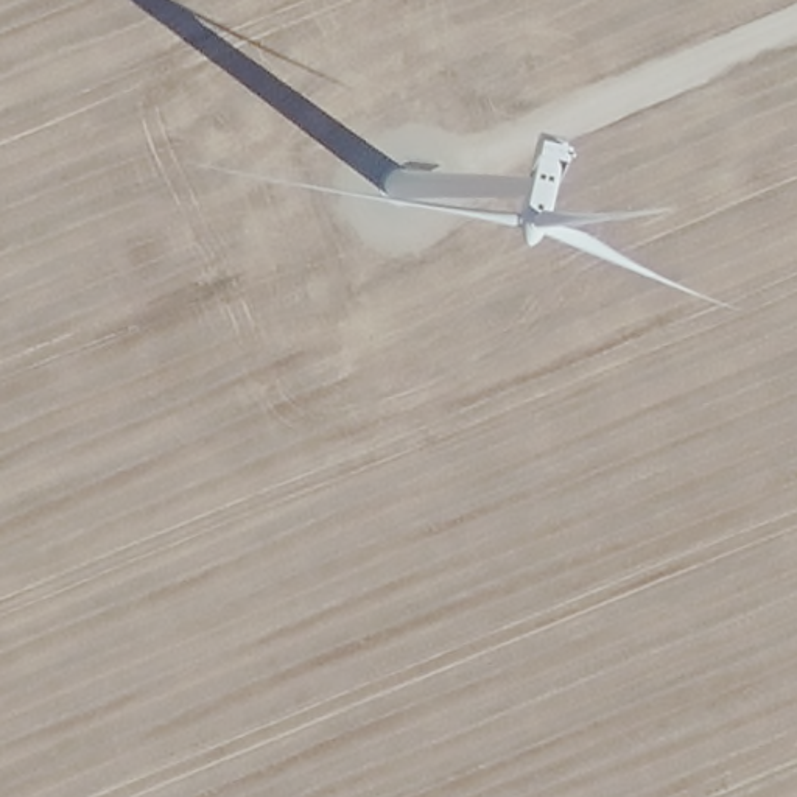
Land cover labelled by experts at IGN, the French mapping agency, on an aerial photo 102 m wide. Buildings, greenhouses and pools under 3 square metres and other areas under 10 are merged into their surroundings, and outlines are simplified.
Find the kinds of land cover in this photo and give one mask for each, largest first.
<instances>
[{"label":"agricultural land","instance_id":"1","mask_svg":"<svg viewBox=\"0 0 797 797\"><path fill-rule=\"evenodd\" d=\"M797 6V0H0V797H797V40L741 59L725 72L707 78L704 84L679 90L635 112H626L588 134H579L573 143H548L535 168L532 205L520 212V218L464 212V218L445 237L427 246L420 255H386L367 246L349 224H339L336 174L346 168V159L355 153L361 140L377 146L383 134L392 128L433 125L451 134H483L498 125L517 121L526 112L564 103L567 97L601 81L623 78L654 59L732 34L750 22Z\"/></svg>","mask_w":797,"mask_h":797},{"label":"pervious surface","instance_id":"2","mask_svg":"<svg viewBox=\"0 0 797 797\"><path fill-rule=\"evenodd\" d=\"M797 40V6L750 22L732 34L654 59L623 78L601 81L567 97L564 103L526 112L517 121L498 125L483 134H451L433 125L392 128L383 134L377 146L361 140L355 153L346 159V168L336 174L339 224H349L367 246L386 255H420L427 246L445 237L464 218V212L520 218V212L532 205L535 168L548 143H573L579 134H588L626 112H635L679 90L704 84L707 78L725 72L741 59ZM430 168H439L442 177L427 196L408 202L383 193L392 171Z\"/></svg>","mask_w":797,"mask_h":797},{"label":"impervious surface","instance_id":"3","mask_svg":"<svg viewBox=\"0 0 797 797\"><path fill-rule=\"evenodd\" d=\"M442 177L439 168H430L392 171L383 193L408 202L427 196Z\"/></svg>","mask_w":797,"mask_h":797}]
</instances>
